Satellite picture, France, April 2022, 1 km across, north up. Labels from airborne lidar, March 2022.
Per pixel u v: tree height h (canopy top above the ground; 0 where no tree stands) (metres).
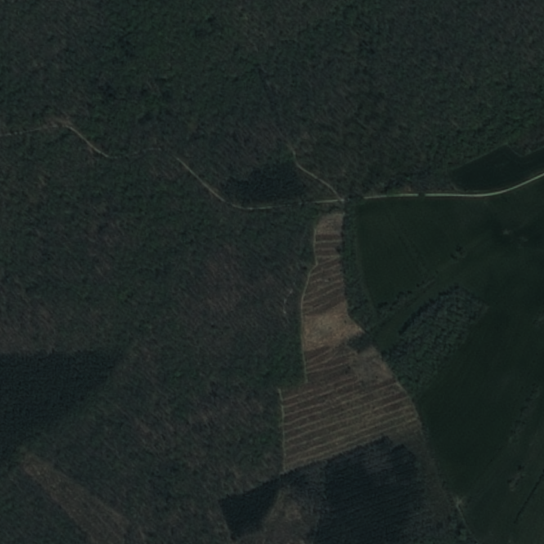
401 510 14
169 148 22
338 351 0
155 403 20
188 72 26
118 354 19
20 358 17
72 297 22
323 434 0
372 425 0
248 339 23
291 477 13
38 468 0
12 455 23
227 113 21
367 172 21
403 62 22
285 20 23
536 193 0
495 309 0
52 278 22
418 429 0
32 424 19
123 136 27
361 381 0
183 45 26
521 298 0
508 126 22
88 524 0
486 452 0
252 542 0
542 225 0
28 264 21
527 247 0
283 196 19
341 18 24
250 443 26
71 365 17
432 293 0
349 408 0
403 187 22
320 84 22
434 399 0
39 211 23
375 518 13
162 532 20
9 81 25
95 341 19
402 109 23
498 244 0
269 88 26
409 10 23
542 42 24
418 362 22
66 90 25
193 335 23
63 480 0
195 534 19
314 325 0
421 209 0
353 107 24
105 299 22
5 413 17
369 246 0
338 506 13
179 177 25
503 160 0
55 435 23
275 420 27
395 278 0
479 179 0
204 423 24
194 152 26
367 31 21
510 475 0
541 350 0
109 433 24
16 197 25
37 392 19
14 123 15
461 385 0
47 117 24
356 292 18
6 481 24
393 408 0
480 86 24
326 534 13
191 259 25
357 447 0
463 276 0
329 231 0
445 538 26
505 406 0
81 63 25
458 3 21
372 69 24
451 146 19
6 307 27
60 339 21
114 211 25
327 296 0
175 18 25
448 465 0
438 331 21
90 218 23
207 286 25
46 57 26
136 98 26
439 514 0
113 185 25
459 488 0
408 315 0
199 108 25
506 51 26
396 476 13
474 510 0
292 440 0
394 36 21
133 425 24
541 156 0
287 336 24
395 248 0
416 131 25
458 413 0
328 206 0
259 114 22
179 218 23
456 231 0
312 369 0
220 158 25
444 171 20
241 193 19
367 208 0
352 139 22
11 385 21
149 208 25
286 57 22
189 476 23
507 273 0
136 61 26
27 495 21
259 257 26
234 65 23
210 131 25
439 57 24
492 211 0
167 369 21
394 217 0
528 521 0
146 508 19
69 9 24
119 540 0
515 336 0
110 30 22
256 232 23
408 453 14
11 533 24
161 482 23
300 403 0
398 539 11
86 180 24
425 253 0
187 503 24
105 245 23
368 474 17
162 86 23
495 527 0
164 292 22
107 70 21
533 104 24
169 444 21
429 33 21
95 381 19
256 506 12
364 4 25
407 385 18
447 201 0
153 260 23
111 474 24
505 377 0
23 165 23
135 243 21
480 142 24
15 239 18
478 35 25
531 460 0
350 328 0
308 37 22
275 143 22
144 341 22
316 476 18
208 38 26
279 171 19
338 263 0
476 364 0
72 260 22
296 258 27
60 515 24
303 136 23
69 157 23
